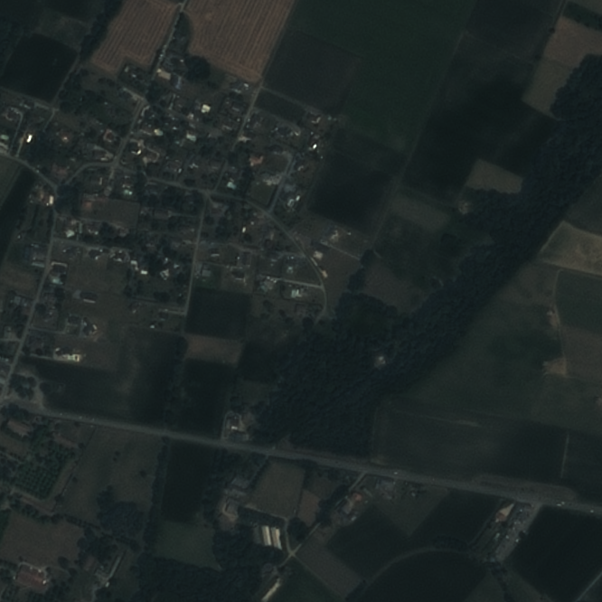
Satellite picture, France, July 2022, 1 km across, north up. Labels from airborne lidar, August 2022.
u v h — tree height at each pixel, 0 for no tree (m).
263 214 0
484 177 0
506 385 0
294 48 0
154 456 0
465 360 0
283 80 0
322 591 0
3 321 0
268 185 0
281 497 0
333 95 0
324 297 0
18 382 13
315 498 0
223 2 0
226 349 0
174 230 11
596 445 0
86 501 0
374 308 20
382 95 0
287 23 0
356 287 19
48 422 12
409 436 0
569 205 14
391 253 0
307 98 0
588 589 0
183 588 24
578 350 0
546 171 24
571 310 0
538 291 0
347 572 0
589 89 24
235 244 0
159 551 0
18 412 28
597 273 0
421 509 0
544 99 0
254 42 0
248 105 6
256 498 0
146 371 0
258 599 0
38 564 0
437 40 0
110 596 15
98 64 0
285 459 7
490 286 22
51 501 0
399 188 0
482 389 0
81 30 0
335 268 0
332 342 8
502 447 0
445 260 0
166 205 14
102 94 10
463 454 0
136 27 0
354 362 11
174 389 6
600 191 0
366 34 0
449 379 0
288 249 6
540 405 0
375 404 18
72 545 0
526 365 0
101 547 11
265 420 21
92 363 0
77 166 0
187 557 0
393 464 0
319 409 17
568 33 0
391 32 0
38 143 22
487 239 0
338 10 0
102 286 0
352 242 0
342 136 0
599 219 0
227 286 0
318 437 16
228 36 0
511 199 24
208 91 0
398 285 0
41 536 0
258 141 0
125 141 0
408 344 13
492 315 0
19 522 0
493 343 0
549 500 0
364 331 0
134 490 0
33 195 6
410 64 0
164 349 0
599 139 13
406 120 0
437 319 28
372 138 0
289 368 24
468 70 0
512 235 19
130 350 0
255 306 0
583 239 0
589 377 0
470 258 8
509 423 0
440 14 0
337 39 0
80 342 0
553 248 0
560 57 0
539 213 19
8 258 0
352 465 0
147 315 0
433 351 29
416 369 24
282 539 9
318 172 0
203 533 0
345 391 13
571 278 0
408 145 0
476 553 10
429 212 0
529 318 0
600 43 0
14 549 0
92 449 0
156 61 6
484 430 0
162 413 9
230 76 0
